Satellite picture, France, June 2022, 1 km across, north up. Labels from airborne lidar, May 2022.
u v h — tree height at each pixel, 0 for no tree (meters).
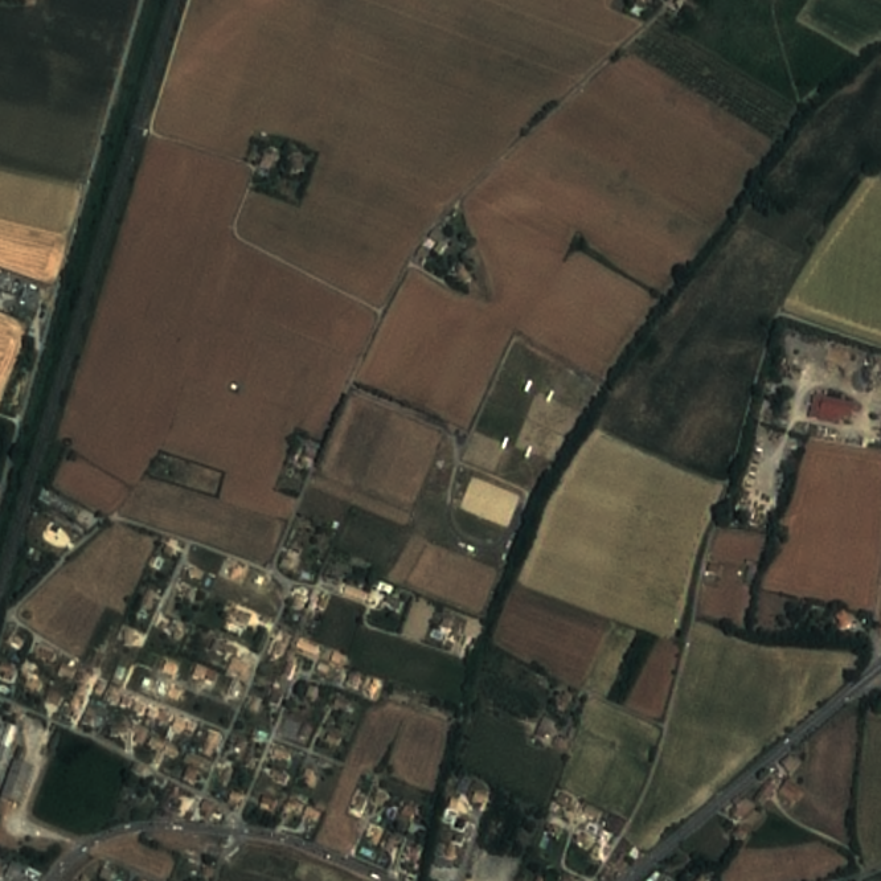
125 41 0
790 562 0
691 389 0
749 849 0
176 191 0
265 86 0
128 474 0
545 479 12
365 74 0
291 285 0
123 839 0
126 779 16
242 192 0
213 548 0
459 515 0
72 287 12
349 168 0
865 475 0
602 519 0
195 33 0
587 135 0
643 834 0
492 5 0
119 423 0
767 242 0
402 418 0
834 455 0
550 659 0
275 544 0
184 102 0
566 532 0
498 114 0
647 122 0
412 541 0
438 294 0
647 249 0
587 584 0
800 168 0
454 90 0
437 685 0
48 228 0
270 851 0
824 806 0
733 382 0
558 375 0
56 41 0
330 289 0
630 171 0
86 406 0
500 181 0
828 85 8
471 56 0
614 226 0
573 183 0
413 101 0
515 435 0
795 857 0
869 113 0
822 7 0
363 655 0
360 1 0
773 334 12
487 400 0
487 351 0
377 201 0
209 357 0
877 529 0
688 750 0
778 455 0
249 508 0
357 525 0
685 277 17
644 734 0
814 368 0
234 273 0
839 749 0
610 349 0
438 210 0
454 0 0
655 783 0
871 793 0
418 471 0
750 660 0
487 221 0
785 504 11
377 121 0
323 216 0
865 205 0
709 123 0
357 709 0
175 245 0
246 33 0
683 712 0
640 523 0
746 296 0
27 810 0
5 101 0
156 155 0
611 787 0
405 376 0
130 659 0
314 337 0
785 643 11
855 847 12
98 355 0
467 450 0
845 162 0
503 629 0
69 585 0
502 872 0
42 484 7
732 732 0
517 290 0
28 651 6
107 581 0
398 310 0
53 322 7
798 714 0
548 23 0
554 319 0
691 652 0
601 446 0
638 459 0
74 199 0
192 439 0
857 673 15
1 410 7
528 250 0
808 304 0
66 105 0
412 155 0
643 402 0
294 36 0
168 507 0
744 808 0
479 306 0
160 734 0
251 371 0
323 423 0
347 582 12
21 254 0
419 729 0
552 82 0
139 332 0
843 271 0
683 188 0
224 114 0
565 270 0
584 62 0
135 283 0
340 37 0
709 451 0
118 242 0
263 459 0
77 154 0
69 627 0
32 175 0
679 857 10
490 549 0
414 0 0
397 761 0
